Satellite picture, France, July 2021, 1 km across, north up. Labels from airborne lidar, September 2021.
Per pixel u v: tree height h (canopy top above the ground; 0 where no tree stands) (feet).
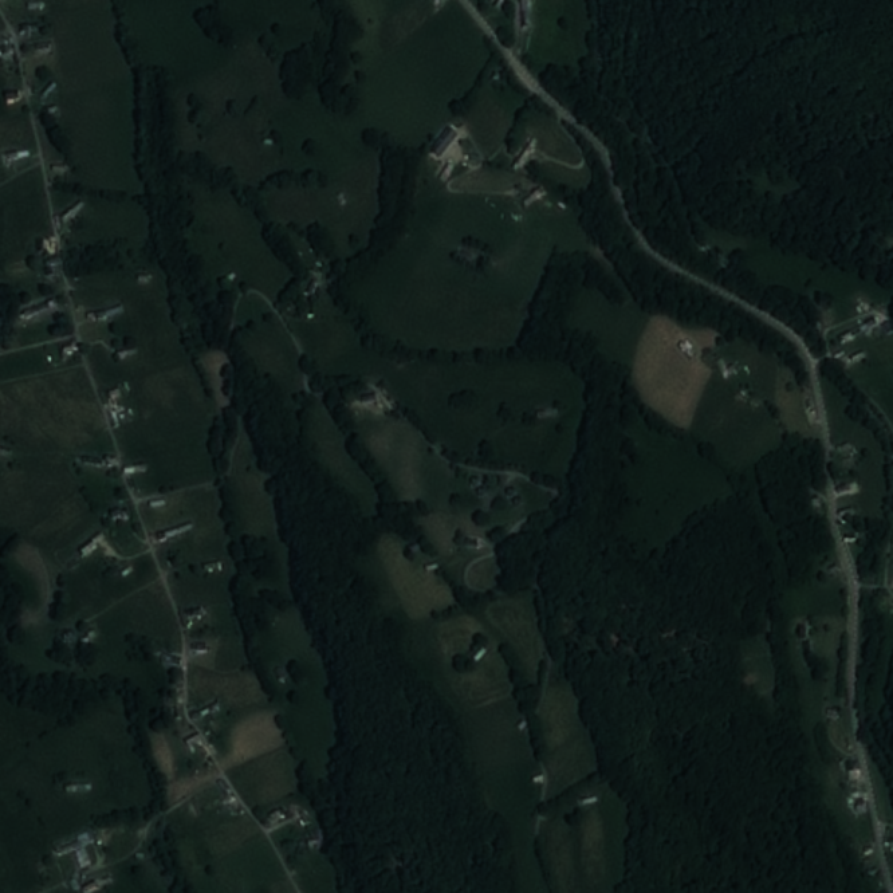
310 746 0
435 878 86
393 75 0
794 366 83
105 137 0
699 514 31
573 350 82
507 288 0
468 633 0
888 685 39
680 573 65
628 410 77
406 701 77
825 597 0
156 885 0
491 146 0
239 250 0
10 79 0
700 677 109
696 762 77
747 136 97
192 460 0
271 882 0
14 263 0
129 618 0
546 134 0
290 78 67
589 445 80
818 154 55
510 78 32
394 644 85
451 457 43
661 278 87
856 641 0
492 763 0
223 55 0
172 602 0
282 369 0
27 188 0
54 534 0
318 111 0
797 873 106
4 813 0
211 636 0
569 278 52
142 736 69
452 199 0
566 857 0
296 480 96
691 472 0
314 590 114
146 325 0
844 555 0
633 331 0
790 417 0
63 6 0
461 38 0
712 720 62
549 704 0
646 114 72
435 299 0
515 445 0
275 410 85
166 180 27
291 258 84
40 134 0
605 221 87
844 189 90
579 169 0
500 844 86
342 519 94
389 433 0
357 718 97
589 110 84
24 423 0
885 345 0
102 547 0
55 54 0
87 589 0
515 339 0
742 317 97
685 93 96
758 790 76
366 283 0
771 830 39
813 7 80
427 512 62
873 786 0
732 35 91
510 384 0
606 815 0
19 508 0
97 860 0
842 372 51
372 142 45
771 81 90
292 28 0
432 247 0
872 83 94
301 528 98
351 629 109
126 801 0
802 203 63
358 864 83
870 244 134
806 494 55
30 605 0
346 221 0
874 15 75
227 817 0
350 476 0
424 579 0
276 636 0
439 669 0
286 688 0
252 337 39
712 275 27
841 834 33
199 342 21
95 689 61
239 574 33
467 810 91
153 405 0
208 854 0
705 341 0
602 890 0
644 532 0
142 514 0
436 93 0
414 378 0
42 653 0
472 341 0
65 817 0
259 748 0
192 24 0
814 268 0
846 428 0
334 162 0
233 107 57
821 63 83
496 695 0
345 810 84
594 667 78
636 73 46
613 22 82
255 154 0
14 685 72
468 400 54
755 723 67
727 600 60
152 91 46
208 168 49
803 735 47
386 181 64
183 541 0
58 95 0
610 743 90
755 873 47
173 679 41
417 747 106
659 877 104
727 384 0
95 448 0
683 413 0
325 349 0
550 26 0
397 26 0
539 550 78
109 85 0
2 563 65
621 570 101
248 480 0
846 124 89
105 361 0
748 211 65
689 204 83
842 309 0
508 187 0
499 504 42
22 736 0
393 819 96
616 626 120
